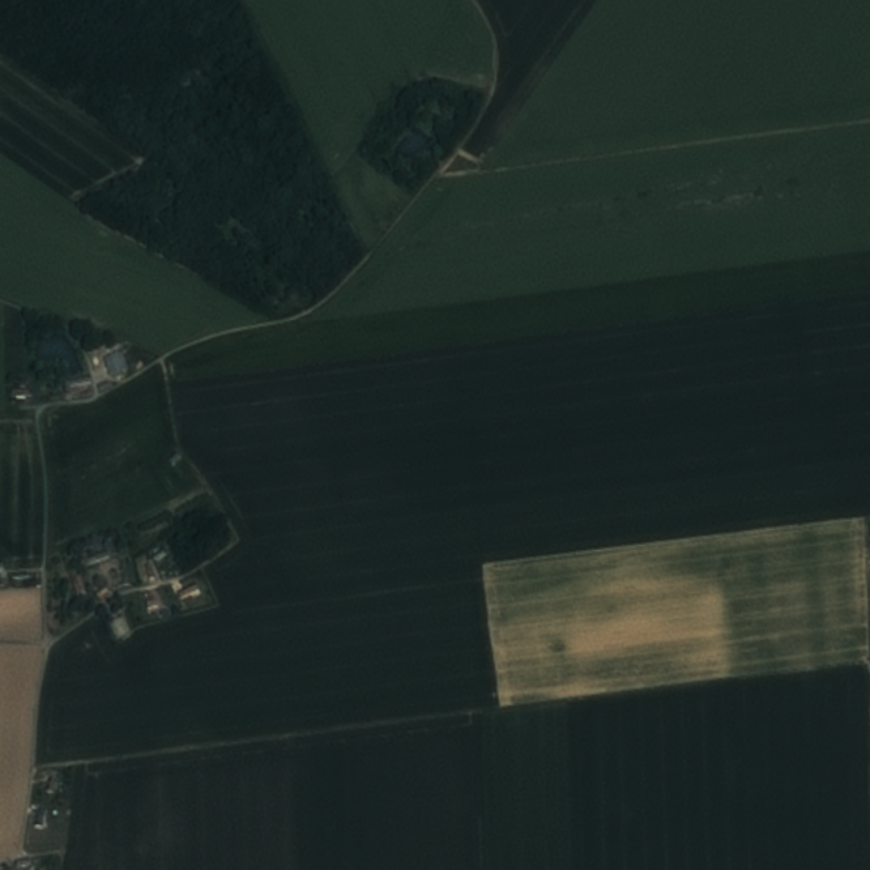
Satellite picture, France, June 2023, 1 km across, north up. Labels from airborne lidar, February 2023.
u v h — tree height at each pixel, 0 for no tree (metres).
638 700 0
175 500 0
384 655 0
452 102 9
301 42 0
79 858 0
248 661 0
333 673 0
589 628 0
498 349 0
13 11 14
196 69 20
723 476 0
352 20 0
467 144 0
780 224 0
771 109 0
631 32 0
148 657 0
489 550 0
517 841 0
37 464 0
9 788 0
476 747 0
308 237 20
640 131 0
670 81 0
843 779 0
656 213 0
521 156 0
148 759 0
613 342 0
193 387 0
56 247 0
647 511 0
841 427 0
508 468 0
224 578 0
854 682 0
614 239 0
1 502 0
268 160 12
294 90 0
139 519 0
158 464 0
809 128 0
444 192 0
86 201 14
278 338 0
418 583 0
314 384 0
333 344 0
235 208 16
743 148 0
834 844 0
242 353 0
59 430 0
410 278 0
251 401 0
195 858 0
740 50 0
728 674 0
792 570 0
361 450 0
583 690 0
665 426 0
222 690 0
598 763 0
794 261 0
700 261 0
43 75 14
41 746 0
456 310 0
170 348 0
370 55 0
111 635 7
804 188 0
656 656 0
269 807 0
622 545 0
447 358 0
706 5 0
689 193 0
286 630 0
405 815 0
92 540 13
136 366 0
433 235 0
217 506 0
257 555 0
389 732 0
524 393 0
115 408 0
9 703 0
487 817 0
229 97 20
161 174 13
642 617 0
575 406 0
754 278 0
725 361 0
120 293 0
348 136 0
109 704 0
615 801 0
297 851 0
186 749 0
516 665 0
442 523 0
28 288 0
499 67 0
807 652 0
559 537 0
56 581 6
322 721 0
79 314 0
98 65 16
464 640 0
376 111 0
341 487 0
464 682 0
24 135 0
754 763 0
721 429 0
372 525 0
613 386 0
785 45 0
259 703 0
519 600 0
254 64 19
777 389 0
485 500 0
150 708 0
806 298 0
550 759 0
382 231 0
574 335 0
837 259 0
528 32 0
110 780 0
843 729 0
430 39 0
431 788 0
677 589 0
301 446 0
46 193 0
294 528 0
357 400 0
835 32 0
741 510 0
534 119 0
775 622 0
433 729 0
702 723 0
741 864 0
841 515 0
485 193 0
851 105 0
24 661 0
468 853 0
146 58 20
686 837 0
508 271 0
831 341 0
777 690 0
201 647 0
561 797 0
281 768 0
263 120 20
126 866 0
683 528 0
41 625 0
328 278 12
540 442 0
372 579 0
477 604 0
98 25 16
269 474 0
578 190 0
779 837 0
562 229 0
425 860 0
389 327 0
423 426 0
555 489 0
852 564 0
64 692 0
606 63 0
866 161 0
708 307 0
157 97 20
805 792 0
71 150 0
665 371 0
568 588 0
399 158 10
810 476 0
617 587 0
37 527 0
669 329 0
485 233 0
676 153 0
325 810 0
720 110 0
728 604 0
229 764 0
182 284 0
